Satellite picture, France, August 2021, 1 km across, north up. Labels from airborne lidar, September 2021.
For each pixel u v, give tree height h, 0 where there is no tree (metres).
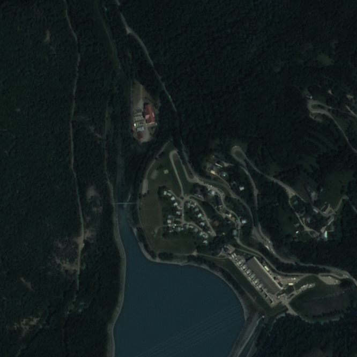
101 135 13
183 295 0
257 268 0
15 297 18
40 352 26
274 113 26
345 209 12
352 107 8
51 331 26
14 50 20
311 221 7
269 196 23
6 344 28
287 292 0
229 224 10
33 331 9
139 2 16
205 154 16
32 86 22
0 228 23
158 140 10
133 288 0
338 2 16
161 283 0
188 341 0
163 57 26
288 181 18
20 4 31
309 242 7
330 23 22
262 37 14
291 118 26
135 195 12
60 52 21
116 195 7
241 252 0
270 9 19
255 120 23
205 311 0
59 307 21
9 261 24
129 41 13
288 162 21
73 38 25
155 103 9
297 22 27
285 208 14
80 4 31
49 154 21
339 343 27
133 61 9
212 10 27
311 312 0
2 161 27
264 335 20
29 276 23
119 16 18
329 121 13
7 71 30
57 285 16
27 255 19
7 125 22
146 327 0
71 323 27
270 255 13
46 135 19
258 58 28
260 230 0
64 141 26
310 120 19
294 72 28
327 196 0
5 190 26
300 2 28
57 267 11
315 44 19
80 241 0
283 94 29
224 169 6
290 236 15
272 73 22
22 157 22
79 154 24
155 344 0
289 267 14
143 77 24
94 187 12
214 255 12
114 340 0
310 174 19
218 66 30
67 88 27
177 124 31
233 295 0
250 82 27
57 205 15
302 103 20
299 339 30
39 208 19
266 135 26
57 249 15
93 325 23
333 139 8
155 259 9
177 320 0
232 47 31
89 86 25
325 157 19
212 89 39
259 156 13
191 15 16
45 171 26
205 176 14
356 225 24
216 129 25
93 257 21
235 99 26
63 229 21
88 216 10
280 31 26
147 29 18
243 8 21
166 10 27
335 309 0
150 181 0
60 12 10
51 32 12
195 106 26
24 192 17
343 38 13
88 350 26
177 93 26
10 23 23
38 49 24
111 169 13
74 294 20
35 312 18
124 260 0
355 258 19
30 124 24
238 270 0
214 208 7
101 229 8
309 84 26
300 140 26
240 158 0
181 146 22
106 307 18
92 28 25
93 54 24
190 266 0
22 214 16
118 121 12
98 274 28
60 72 25
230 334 0
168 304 0
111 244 16
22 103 18
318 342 20
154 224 0
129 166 6
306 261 23
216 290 0
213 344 0
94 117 21
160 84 22
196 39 28
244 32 17
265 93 19
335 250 20
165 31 22
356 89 17
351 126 8
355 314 22
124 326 0
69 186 16
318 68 12
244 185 7
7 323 21
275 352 19
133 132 15
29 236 26
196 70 26
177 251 0
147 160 12
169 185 0
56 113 29
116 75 18
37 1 30
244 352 0
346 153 16
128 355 0
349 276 0
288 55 6
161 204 0
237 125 21
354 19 21
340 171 8
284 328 20
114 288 27
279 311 0
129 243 0
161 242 0
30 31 25
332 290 0
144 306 0
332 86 19
